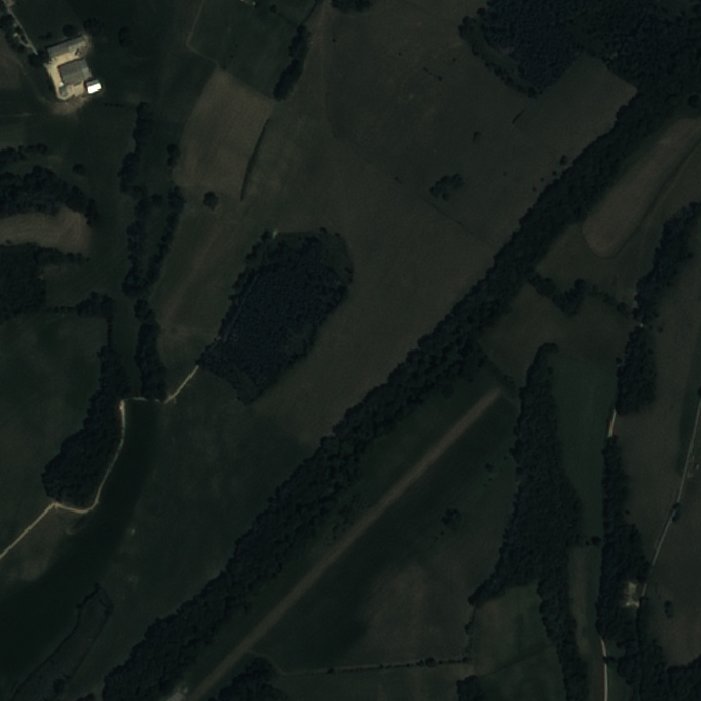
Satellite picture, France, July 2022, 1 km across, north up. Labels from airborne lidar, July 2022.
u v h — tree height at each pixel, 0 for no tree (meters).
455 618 0
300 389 0
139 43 0
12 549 0
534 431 23
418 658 0
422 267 0
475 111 0
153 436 0
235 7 0
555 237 19
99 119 0
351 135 0
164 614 0
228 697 26
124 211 0
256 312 23
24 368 0
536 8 18
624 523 6
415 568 0
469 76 0
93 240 0
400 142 0
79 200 25
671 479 0
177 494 0
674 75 25
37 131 0
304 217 0
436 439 0
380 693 0
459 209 0
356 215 0
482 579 0
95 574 0
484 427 0
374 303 0
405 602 0
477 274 0
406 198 0
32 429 0
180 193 6
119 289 0
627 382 22
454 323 22
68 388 0
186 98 0
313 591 0
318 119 0
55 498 16
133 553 0
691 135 0
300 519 26
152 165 0
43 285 10
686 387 0
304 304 21
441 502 0
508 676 0
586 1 21
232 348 18
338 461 31
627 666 20
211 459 0
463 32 15
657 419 0
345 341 0
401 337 0
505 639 0
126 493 0
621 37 8
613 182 21
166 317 0
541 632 0
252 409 0
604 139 12
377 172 0
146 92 0
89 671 0
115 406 14
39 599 0
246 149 0
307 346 16
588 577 0
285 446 0
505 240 0
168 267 0
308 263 22
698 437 0
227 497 0
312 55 0
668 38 17
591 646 0
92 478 23
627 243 0
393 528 0
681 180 0
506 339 0
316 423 0
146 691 27
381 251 0
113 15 0
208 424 0
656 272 11
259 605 0
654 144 0
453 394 17
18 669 0
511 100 0
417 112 0
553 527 26
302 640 0
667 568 0
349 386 0
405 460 0
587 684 16
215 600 27
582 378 0
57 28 0
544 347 12
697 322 0
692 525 0
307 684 0
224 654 0
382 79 0
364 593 0
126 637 0
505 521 0
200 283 0
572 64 14
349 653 0
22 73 0
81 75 0
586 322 0
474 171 0
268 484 0
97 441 22
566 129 0
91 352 0
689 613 0
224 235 0
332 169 0
